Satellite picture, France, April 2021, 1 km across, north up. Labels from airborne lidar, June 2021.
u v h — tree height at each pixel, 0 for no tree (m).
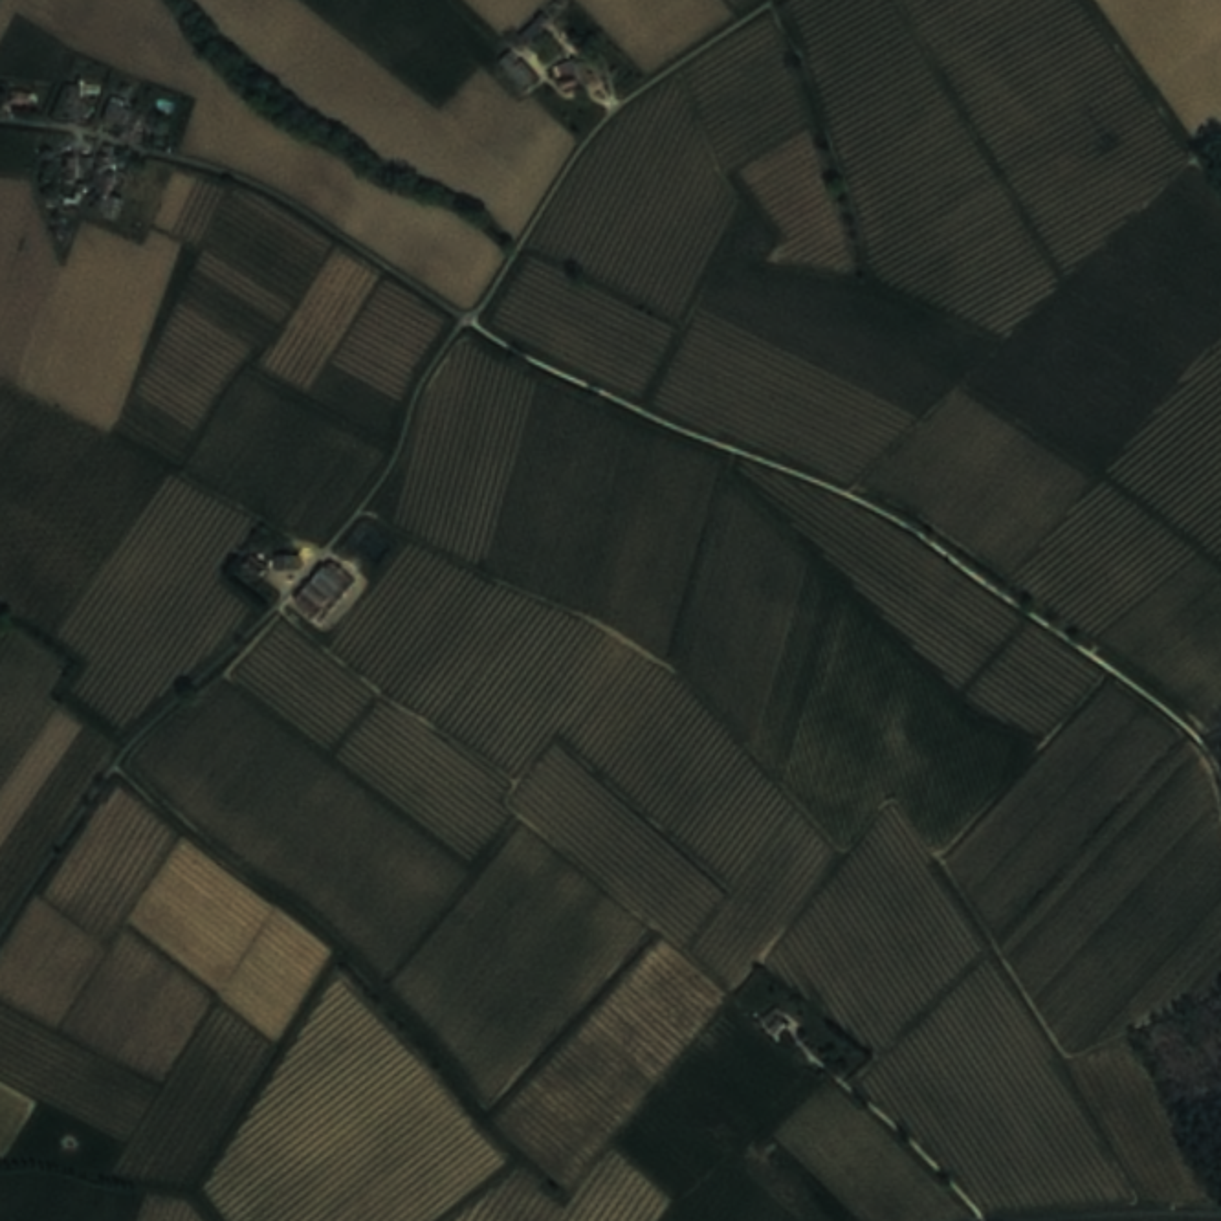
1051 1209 0
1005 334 0
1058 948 0
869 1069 0
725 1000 0
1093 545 0
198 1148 0
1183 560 0
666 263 0
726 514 0
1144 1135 0
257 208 0
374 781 0
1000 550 0
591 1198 0
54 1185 0
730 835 0
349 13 0
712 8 0
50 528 0
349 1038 0
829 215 0
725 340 0
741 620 0
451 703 0
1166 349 0
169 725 0
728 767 0
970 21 0
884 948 0
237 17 0
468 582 0
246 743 0
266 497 0
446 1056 0
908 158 0
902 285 0
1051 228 0
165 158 0
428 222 0
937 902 0
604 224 0
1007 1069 0
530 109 0
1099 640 0
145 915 0
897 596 0
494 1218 0
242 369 0
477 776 0
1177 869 0
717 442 0
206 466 0
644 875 0
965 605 0
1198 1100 10
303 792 0
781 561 0
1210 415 0
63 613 0
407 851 0
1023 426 0
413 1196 0
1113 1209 0
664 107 0
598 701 0
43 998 0
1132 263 0
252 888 0
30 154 0
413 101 0
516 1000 0
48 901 0
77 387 0
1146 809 0
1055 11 0
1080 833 0
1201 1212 0
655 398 0
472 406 0
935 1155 0
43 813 0
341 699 0
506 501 0
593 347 0
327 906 0
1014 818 0
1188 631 0
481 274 0
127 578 0
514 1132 0
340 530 0
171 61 0
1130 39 0
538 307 0
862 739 0
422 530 0
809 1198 0
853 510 0
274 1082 0
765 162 0
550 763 0
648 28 0
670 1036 0
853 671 0
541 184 0
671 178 0
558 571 0
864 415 0
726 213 0
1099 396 0
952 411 0
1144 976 0
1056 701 0
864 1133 0
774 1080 0
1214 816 0
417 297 0
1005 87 0
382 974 0
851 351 0
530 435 0
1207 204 0
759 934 0
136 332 0
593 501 0
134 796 0
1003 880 0
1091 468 0
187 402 0
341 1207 0
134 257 0
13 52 0
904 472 0
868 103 0
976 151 0
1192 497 0
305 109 18
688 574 0
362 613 0
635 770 0
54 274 0
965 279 0
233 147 0
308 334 0
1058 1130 0
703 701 0
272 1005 0
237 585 9
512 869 0
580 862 0
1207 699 0
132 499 0
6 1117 0
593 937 0
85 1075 0
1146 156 0
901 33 0
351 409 0
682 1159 0
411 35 0
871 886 0
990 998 0
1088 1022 0
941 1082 0
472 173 0
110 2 0
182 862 0
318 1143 0
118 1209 0
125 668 0
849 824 0
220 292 0
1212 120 0
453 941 0
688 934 0
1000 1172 0
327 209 0
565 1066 0
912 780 0
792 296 0
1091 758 0
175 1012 0
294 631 0
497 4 0
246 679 0
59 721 0
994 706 0
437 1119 0
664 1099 0
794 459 0
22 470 0
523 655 0
